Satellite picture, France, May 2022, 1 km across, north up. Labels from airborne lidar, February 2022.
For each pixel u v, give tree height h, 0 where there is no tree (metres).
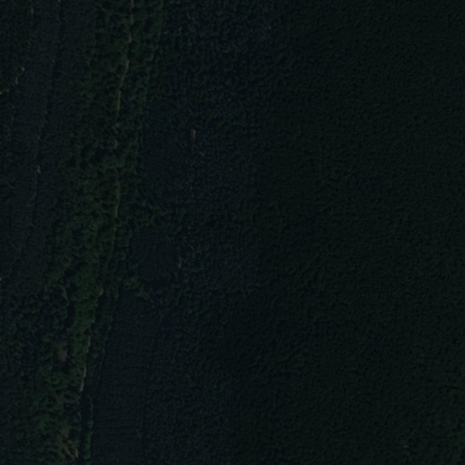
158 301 11
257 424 27
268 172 26
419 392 24
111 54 13
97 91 12
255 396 28
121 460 26
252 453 29
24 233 27
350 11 28
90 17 28
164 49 13
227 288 28
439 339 26
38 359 28
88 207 38
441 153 21
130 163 10
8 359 23
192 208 31
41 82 27
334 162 31
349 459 23
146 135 18
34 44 22
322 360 27
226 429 22
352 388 24
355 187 22
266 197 27
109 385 20
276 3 25
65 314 16
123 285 21
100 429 23
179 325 33
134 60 17
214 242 27
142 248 13
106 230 20
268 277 28
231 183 27
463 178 21
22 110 26
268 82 31
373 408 23
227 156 28
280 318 28
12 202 25
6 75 18
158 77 27
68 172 32
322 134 26
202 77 33
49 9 29
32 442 26
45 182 27
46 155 32
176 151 10
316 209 23
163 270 33
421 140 23
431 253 22
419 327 24
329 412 23
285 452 28
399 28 24
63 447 0
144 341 23
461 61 19
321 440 26
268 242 27
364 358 27
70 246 33
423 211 24
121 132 19
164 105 13
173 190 10
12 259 20
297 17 20
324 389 26
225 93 38
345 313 27
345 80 26
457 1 26
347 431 24
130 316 24
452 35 22
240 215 23
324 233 25
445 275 22
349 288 22
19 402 24
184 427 27
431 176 19
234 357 24
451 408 27
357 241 24
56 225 35
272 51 27
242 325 31
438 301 26
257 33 22
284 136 28
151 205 30
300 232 21
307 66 27
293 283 26
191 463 27
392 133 22
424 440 28
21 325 7
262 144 26
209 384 24
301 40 27
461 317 24
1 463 23
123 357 23
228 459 24
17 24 18
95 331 19
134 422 21
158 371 30
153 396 31
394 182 24
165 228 12
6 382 14
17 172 23
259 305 26
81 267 32
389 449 25
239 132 16
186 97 32
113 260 19
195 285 26
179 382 31
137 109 33
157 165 11
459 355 27
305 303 26
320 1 25
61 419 32
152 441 30
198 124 26
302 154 26
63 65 29
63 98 30
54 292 34
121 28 22
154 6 36
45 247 33
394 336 27
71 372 30
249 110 26
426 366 24
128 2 12
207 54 29
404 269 25
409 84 23
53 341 28
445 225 23
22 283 28
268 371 28
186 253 31
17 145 18
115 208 7
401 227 26
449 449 29
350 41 27
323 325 29
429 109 21
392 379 24
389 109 25
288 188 28
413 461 30
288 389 30
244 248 26
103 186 11
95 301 8
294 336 25
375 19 26
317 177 28
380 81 26
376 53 26
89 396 14
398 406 19
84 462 29
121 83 13
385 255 25
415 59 24
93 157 9
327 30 23
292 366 27
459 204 23
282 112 29
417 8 23
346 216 26
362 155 26
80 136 8
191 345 32
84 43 26
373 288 25
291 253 29
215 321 28
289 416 26
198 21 18
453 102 20
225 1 27
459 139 21
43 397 32
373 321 24
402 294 25
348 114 27
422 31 26
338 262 26
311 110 29
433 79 21
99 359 24
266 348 31
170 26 8
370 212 24
